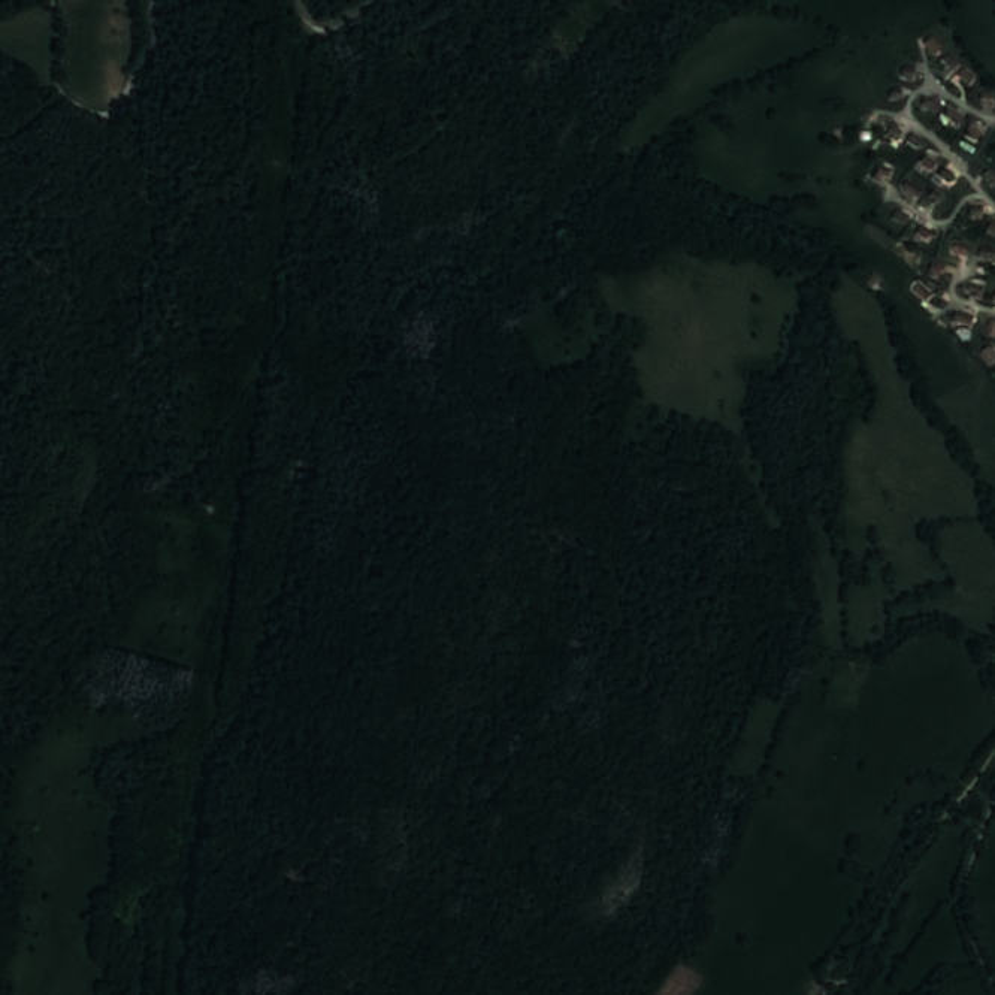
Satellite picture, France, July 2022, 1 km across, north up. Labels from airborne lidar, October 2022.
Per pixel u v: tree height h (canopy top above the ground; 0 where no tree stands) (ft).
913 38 0
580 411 80
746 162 0
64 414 77
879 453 0
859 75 0
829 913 0
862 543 0
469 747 75
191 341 113
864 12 0
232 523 22
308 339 31
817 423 39
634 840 38
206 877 94
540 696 76
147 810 99
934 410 56
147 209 74
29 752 62
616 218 96
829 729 0
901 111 0
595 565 91
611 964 45
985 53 0
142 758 59
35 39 0
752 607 37
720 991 0
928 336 0
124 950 86
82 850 0
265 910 73
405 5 107
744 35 0
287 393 97
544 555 70
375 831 42
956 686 0
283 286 64
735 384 0
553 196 59
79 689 98
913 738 0
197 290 62
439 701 36
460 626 43
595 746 63
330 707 67
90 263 37
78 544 83
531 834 62
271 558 92
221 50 60
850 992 26
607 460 80
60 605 83
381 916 54
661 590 56
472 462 55
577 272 61
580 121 46
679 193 96
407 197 36
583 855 59
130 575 95
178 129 54
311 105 74
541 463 84
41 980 0
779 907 0
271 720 77
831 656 18
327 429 94
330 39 60
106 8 0
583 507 95
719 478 88
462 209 66
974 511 0
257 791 73
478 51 60
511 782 82
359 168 75
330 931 46
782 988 0
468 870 93
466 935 55
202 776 46
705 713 47
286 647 96
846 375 34
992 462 0
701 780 54
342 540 90
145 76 78
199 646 0
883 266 0
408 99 95
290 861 68
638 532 59
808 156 0
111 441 85
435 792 53
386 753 51
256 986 86
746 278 0
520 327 31
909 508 0
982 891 0
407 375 108
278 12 20
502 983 58
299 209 85
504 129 61
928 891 0
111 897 90
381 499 72
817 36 0
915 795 0
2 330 68
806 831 0
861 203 0
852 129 41
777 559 73
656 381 0
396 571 78
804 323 69
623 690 66
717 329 0
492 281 91
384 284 84
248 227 78
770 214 92
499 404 72
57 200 63
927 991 26
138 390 71
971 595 0
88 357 82
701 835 78
